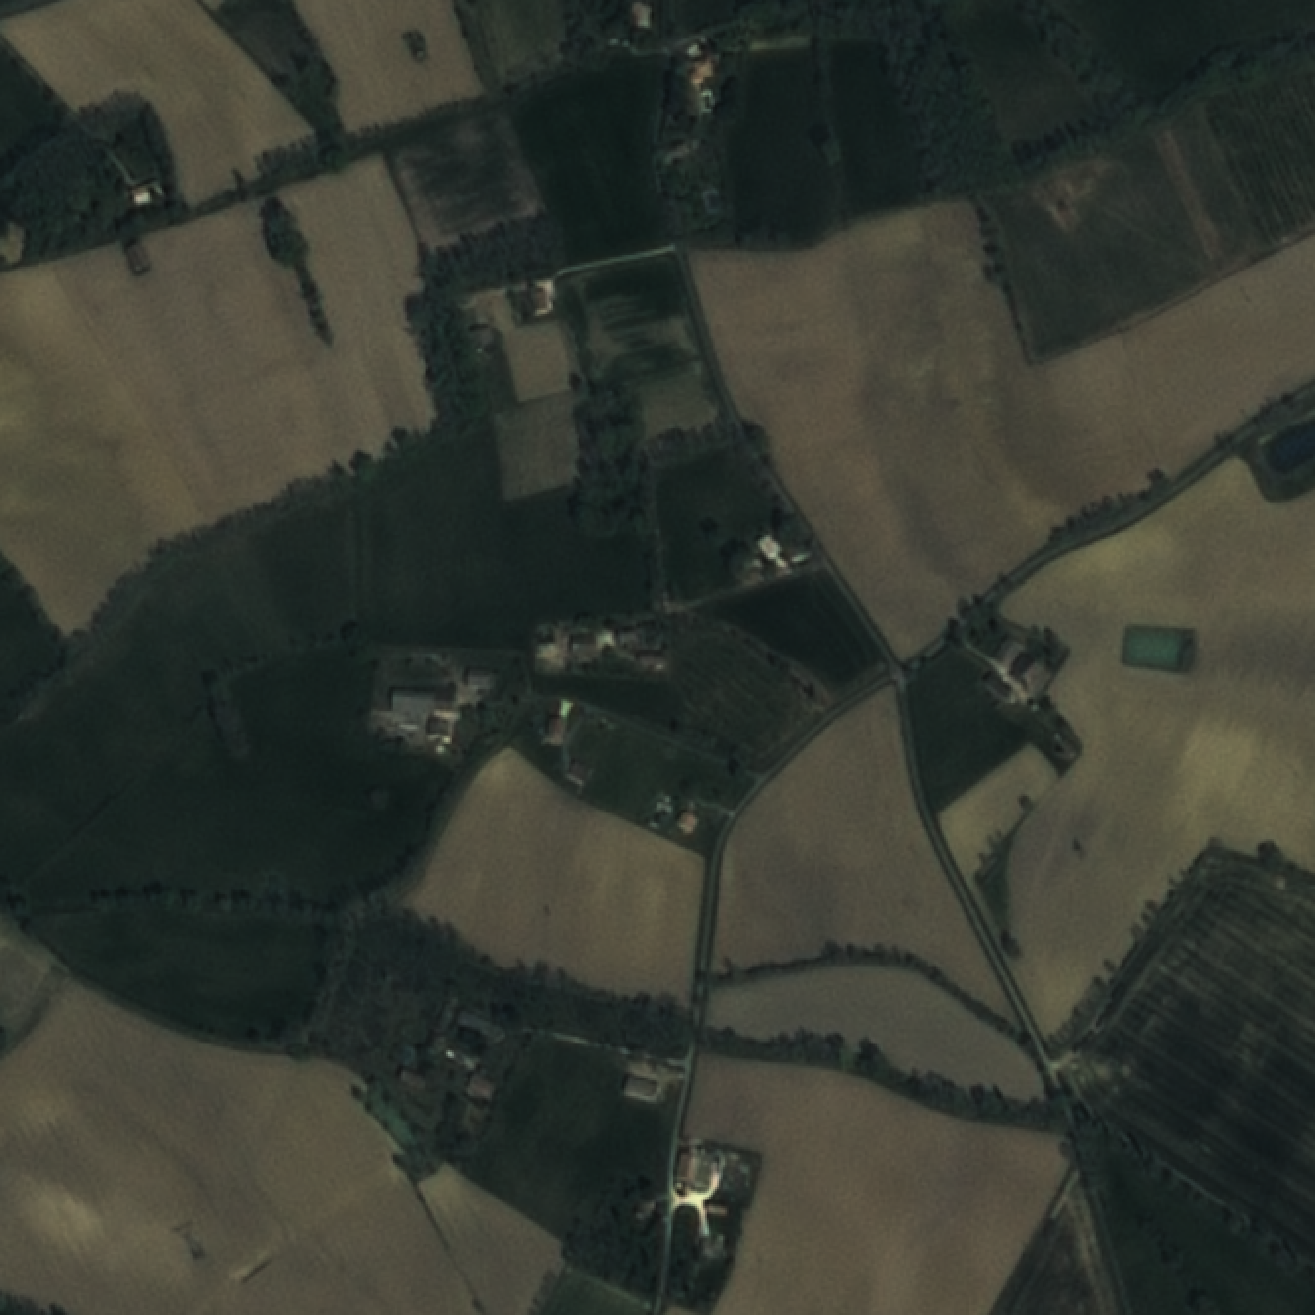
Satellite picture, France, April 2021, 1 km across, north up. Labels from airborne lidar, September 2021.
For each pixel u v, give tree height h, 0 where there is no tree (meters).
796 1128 0
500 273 20
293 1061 12
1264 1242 25
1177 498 0
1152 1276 0
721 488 0
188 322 0
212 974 0
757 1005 0
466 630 0
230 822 0
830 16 14
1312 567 0
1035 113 0
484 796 0
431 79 0
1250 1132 0
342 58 0
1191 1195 14
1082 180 0
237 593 0
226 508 0
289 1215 0
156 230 0
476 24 0
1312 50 14
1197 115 0
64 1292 0
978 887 0
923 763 0
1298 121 0
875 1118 0
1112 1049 0
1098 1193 19
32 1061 0
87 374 0
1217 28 0
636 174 0
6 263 0
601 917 0
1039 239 0
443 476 0
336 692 0
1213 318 0
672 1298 11
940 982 15
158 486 0
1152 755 0
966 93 21
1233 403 0
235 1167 0
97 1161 0
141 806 0
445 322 21
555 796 0
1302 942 0
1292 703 0
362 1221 0
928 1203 0
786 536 18
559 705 0
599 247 0
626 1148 0
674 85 13
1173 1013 0
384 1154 0
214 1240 0
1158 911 13
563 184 0
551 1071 0
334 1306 0
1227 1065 0
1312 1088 0
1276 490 0
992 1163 0
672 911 0
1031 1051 11
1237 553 0
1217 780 0
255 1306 0
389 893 24
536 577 0
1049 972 0
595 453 15
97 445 0
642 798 0
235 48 0
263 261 0
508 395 0
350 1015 8
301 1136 0
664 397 0
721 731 0
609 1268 12
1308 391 0
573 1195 0
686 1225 10
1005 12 0
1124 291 0
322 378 0
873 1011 0
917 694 0
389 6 0
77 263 0
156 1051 0
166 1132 0
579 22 6
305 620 0
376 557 0
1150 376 0
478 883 0
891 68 15
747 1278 0
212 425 0
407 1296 0
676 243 10
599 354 0
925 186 11
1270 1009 0
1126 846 0
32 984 0
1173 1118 0
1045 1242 0
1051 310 0
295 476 0
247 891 0
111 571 0
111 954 0
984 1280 0
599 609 0
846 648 0
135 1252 0
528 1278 0
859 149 0
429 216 0
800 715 0
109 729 0
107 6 0
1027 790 0
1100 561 0
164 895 17
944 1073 0
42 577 0
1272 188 0
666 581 8
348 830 0
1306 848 0
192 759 0
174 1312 0
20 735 0
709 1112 0
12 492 0
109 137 15
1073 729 13
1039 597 0
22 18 0
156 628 0
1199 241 0
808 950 0
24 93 0
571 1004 7
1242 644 0
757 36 6
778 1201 0
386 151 0
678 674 0
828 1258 0
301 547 0
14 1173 0
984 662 0
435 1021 8
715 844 0
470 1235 0
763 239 20
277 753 0
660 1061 9
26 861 0
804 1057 15
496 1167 0
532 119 0
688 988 0
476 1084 0
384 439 0
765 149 0
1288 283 0
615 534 11
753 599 0
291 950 0
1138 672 0
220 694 17
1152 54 0
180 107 0
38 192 20
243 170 0
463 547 0
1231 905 0
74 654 15
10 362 0
